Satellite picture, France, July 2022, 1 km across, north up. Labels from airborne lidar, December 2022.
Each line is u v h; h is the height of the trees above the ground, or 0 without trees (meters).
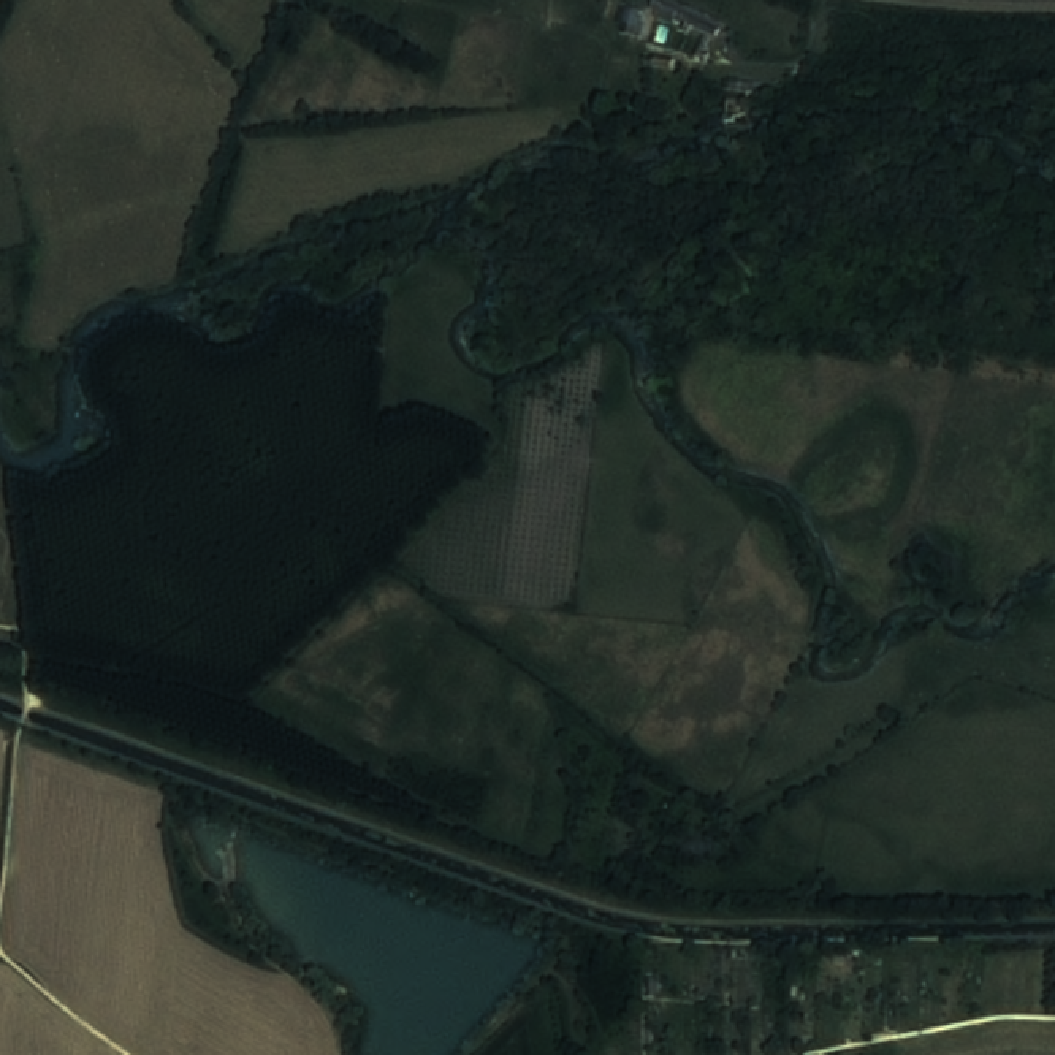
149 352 28
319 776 23
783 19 0
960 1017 0
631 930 0
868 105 19
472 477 28
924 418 0
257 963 11
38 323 0
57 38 0
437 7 0
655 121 12
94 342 10
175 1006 0
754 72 0
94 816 0
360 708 0
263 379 30
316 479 28
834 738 0
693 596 0
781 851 0
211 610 27
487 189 17
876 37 12
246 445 22
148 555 29
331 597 26
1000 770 0
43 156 0
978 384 0
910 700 0
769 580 0
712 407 0
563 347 9
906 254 7
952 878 0
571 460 0
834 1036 0
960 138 16
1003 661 0
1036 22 10
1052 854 0
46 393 0
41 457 0
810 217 13
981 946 7
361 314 17
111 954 0
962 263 10
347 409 30
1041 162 14
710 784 0
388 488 26
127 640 26
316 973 21
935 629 15
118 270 0
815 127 18
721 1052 14
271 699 0
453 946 0
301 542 29
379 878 14
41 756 0
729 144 15
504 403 14
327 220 7
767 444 0
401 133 0
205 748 21
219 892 18
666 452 0
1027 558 0
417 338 0
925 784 0
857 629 16
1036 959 0
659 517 0
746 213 9
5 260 23
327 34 0
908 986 0
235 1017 0
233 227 0
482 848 22
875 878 0
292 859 0
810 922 0
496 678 0
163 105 0
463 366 0
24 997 0
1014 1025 0
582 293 9
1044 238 13
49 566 24
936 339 9
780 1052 14
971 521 0
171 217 0
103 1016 0
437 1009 0
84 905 0
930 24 10
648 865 16
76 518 23
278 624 24
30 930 0
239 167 10
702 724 0
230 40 0
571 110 0
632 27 0
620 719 0
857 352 6
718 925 0
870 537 0
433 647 0
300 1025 0
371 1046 0
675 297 13
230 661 29
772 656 0
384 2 0
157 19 0
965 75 15
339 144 0
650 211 17
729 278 17
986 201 15
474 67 0
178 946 0
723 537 0
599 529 0
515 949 0
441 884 14
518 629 0
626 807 14
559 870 19
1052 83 21
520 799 0
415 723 0
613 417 0
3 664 25
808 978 7
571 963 17
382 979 0
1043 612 0
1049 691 0
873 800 0
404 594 0
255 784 0
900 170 15
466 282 0
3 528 0
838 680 0
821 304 12
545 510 0
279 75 0
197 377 30
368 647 0
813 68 13
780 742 0
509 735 0
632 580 0
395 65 26
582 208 20
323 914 0
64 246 0
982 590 0
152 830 0
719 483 10
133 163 0
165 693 25
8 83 0
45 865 0
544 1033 0
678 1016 0
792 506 0
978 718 0
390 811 19
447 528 0
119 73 0
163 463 31
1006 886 0
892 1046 0
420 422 30
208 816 14
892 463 0
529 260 14
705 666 0
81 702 8
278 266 22
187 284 8
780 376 0
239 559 30
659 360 12
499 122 0
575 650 0
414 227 19
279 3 0
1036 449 0
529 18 0
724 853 10
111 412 28
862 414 0
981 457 0
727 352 0
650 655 0
